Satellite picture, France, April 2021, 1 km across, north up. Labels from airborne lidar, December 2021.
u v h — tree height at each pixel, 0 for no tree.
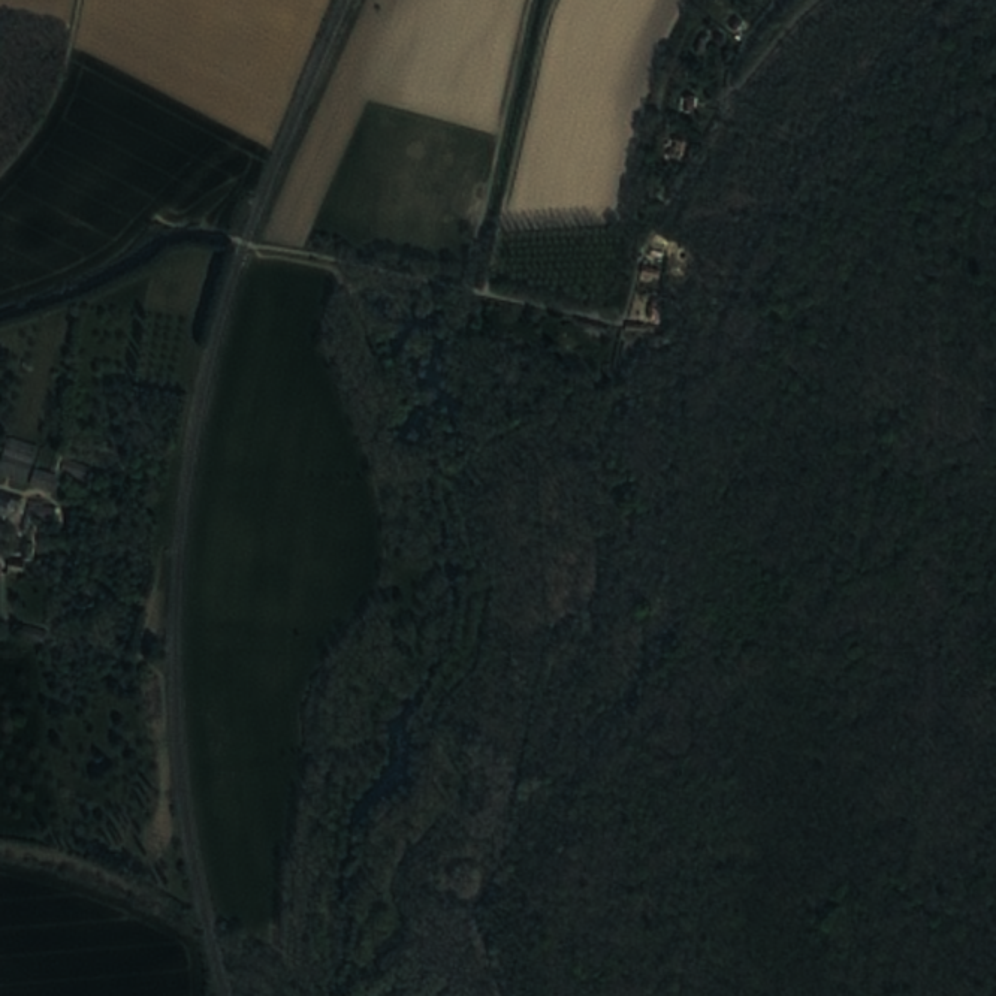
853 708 26
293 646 0
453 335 22
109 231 0
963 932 27
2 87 22
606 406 17
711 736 22
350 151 0
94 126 0
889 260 23
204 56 0
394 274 24
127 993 0
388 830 35
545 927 21
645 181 18
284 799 0
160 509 0
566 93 0
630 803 21
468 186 0
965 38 18
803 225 18
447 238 0
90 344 0
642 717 17
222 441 0
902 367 26
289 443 0
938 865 26
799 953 21
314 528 0
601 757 24
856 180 17
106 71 0
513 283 24
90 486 11
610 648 25
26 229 0
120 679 11
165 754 0
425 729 34
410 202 0
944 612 14
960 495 23
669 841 19
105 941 0
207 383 0
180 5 0
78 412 12
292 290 0
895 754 23
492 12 0
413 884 27
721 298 14
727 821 26
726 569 25
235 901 0
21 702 5
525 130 0
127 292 0
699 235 10
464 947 29
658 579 16
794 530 20
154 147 0
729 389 17
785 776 24
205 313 18
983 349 29
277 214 0
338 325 34
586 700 27
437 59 0
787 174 6
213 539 0
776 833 23
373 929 9
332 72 0
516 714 22
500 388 27
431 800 37
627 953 10
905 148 16
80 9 0
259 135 0
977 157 23
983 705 25
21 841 6
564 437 26
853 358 21
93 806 11
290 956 34
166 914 17
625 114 0
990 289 21
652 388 18
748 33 6
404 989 24
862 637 19
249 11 0
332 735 25
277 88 0
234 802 0
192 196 0
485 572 29
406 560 22
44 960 0
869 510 19
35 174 0
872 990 20
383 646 37
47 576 12
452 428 8
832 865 22
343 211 0
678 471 24
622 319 0
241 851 0
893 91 16
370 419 35
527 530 20
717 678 24
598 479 32
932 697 29
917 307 21
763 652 19
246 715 0
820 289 21
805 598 22
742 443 18
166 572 0
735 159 8
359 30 0
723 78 7
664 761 24
